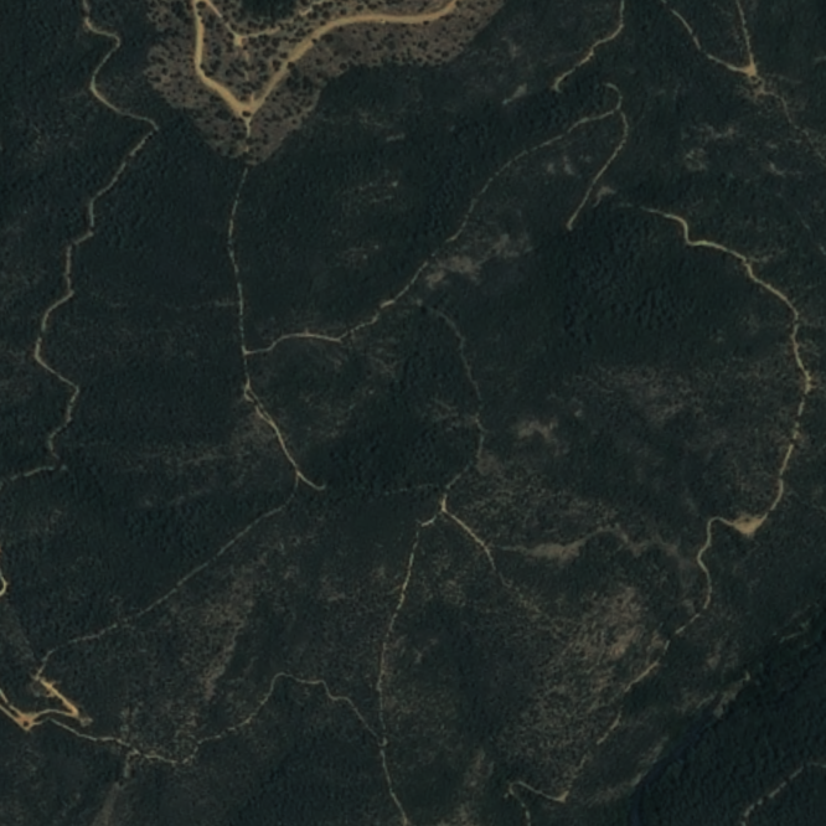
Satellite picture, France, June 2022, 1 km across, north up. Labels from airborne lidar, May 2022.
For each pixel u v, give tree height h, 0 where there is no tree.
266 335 9
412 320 8
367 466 17
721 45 6
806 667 19
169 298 7
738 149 7
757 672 7
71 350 7
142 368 13
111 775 9
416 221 7
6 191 16
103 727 6
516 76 6
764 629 7
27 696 5
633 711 8
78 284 7
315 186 12
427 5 7
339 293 6
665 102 10
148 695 9
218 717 9
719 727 14
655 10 12
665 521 8
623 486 9
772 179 7
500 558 7
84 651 9
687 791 11
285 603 7
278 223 8
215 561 7
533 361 7
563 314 8
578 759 10
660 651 9
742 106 6
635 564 6
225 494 7
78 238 14
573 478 7
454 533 6
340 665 6
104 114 7
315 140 10
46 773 9
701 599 8
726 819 7
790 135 6
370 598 6
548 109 6
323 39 8
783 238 10
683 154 9
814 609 6
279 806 8
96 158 6
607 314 10
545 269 8
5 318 6
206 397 7
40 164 6
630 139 6
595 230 9
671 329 6
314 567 6
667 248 6
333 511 8
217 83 0
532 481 7
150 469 7
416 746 8
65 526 6
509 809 7
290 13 8
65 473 12
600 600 7
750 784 12
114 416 7
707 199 9
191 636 7
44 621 11
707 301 6
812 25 10
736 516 10
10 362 7
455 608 6
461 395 6
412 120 7
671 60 9
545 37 6
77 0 11
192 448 8
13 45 8
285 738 7
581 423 12
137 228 13
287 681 7
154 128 11
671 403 6
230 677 7
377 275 10
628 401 6
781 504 7
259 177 7
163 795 11
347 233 6
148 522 14
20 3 6
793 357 8
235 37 7
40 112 11
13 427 6
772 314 8
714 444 0
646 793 8
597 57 6
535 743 7
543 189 8
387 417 10
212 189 6
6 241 8
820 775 7
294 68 13
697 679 14
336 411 0
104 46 8
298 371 7
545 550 0
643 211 7
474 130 16
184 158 6
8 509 11
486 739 11
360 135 6
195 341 6
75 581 7
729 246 7
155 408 7
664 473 9
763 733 22
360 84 11
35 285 7
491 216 8
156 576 6
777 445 8
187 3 7
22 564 6
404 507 6
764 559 6
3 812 0
